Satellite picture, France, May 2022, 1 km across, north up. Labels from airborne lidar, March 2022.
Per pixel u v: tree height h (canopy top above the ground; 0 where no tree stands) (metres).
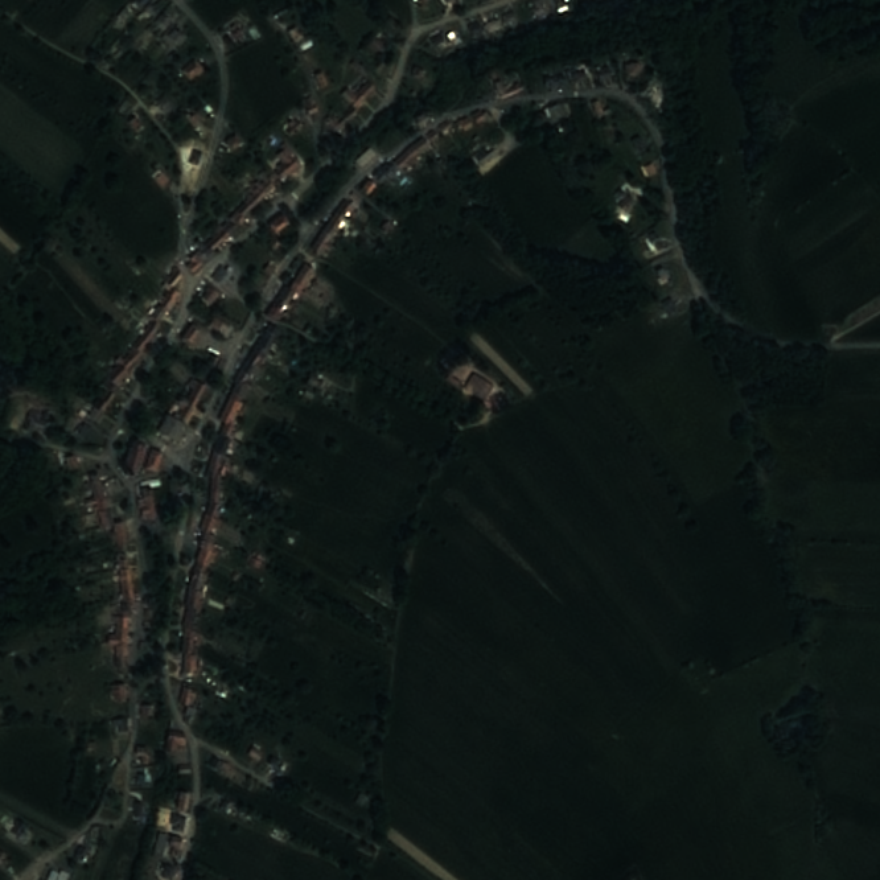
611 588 0
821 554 0
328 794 0
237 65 0
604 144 0
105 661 0
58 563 11
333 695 0
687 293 0
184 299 0
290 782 8
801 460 0
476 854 0
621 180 0
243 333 0
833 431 0
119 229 0
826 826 7
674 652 0
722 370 14
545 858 0
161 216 0
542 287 18
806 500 0
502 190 0
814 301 0
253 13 0
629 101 0
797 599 17
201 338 0
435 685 0
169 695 9
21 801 0
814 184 0
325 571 0
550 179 0
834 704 0
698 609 0
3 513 12
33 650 0
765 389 18
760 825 0
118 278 0
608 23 18
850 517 0
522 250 22
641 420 0
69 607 20
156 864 0
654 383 0
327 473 0
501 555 0
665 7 28
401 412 0
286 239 6
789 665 0
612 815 0
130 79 0
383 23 22
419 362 0
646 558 0
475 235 0
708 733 0
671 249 0
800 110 0
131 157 0
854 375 0
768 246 0
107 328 12
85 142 0
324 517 0
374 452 0
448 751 0
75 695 0
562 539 0
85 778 0
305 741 0
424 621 0
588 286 22
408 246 6
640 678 0
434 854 0
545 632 6
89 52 12
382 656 0
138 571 0
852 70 0
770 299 0
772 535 15
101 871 0
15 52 0
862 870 0
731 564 0
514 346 0
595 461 0
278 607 0
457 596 0
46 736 0
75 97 0
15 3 0
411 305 0
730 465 0
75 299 0
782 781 0
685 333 0
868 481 0
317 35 19
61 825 0
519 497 0
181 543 0
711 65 0
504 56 24
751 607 0
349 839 7
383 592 0
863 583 0
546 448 0
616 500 0
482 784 0
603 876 0
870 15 18
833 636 0
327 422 0
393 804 0
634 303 13
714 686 0
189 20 0
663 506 0
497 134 0
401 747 0
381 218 0
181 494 0
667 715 0
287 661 0
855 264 0
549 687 0
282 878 0
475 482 0
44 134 0
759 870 0
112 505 0
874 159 0
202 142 0
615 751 0
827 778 0
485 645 0
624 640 0
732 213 0
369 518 0
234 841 0
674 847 0
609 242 22
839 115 0
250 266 0
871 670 0
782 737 14
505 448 0
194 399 0
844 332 0
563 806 0
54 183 0
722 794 0
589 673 0
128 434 0
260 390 0
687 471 0
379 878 0
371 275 0
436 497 0
